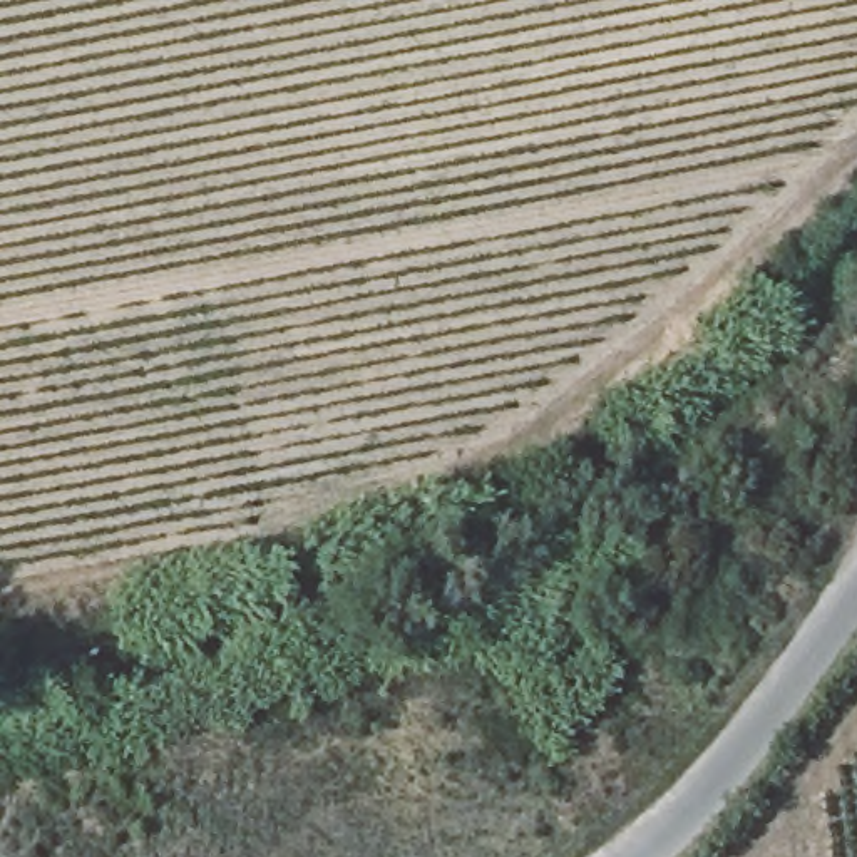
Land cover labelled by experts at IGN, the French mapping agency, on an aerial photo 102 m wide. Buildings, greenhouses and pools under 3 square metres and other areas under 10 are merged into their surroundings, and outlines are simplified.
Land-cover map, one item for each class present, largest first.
<instances>
[{"label":"vineyard","instance_id":"1","mask_svg":"<svg viewBox=\"0 0 857 857\"><path fill-rule=\"evenodd\" d=\"M857 171V0H0V673L3 686L17 693L27 683H44L47 676L57 680L60 673H67L94 646V633L80 629L77 623L80 606H107L104 593L117 589L124 572L141 566L144 556L167 552L177 546H211L241 536H271L311 526L335 505L362 502L372 492L395 485H415L418 475H445L455 465L489 462L495 455H522L536 445H549L566 435L582 429L599 395L633 382L646 368L663 365L673 352L683 355L690 348L700 315H706L713 305H723L730 291L740 285L743 271H753L760 261H767L787 231L807 224L817 204L824 198L840 194L850 174ZM834 857H857V757L854 763L840 767V790L827 797Z\"/></svg>","mask_w":857,"mask_h":857},{"label":"deciduous trees","instance_id":"2","mask_svg":"<svg viewBox=\"0 0 857 857\"><path fill-rule=\"evenodd\" d=\"M857 221V171L850 174L840 194L824 198L817 204L807 224L787 231L767 261H760L753 271H743L740 285L730 291L723 305H713L706 315H700L690 348L683 355L673 352L663 365L646 368L633 382L599 395L582 429L606 442L613 469L603 475L593 472L589 459L572 455L566 435L549 445H536L522 455H495L489 462L455 465L445 475H418L415 485H395L372 492L362 502L335 505L311 526L271 536H241L211 546H177L167 552L144 556L141 566L124 572L117 589L104 593L107 606H80L77 623L80 629L94 633V646L67 673H60L57 680L47 676L44 683H27L17 693L3 686L0 673V834H7L10 827L30 834L40 830L44 840L57 827V820H77L80 807L97 810L104 824H144V817L151 813L147 780L154 777L147 743H167L191 720H201L211 733L224 736H238L244 730V740L264 750H271L275 743H291L305 750L315 747L325 733L372 736L378 730H395L405 700L432 696V710L442 720V726L462 733V743L449 753V767L479 773L499 793H556L569 803V810L576 813V827H556L552 837H542V847L552 857H589L603 844H609L626 824H633L643 810H649L723 733V726L736 713L723 703L726 686H733L747 673L750 663H757L767 629L787 619L783 596L770 593L763 582L780 586L787 576H800L807 586L820 593L830 586L837 572L844 542H850L857 532V408L844 402L847 382L830 375V358L847 335H857V254H847L834 275L837 315L817 335L810 352L800 348L803 305L793 301V291L803 278H810L820 268L827 248L837 244L844 231ZM743 429H763L767 445L783 462L780 485H773V495L760 505L747 499L757 485V462L740 455ZM656 439L666 445L676 475L693 482L700 512L733 529V546L720 559V572L700 603L690 599L686 589H676L670 596L663 623L656 629H643L626 623L633 596L629 582L616 576L613 566H633L646 559V526L656 519V509L643 502L639 485L629 479V465L633 455L653 445ZM576 495H586L579 519V549L566 562H556L542 576L539 589L519 596L516 613L502 626L505 639L489 643L482 639V629L472 616H459L449 626V653L439 659H418L405 656L402 639L392 629L372 623L375 606H398V589L408 569L418 566L432 549L445 559L449 603H475L482 596L479 582L485 569H462V559L469 556L462 539V519L475 512L479 502L519 499L539 505L542 516H556L566 512ZM633 659H639V680L649 693V706L629 700L633 713L670 716L680 730H686V743L666 747L659 760L623 750L619 767H609L603 773V790L593 793L582 780L576 783L572 777V763L582 753L569 747V736L576 723H586L596 710H603L606 696L623 680V666ZM512 539H532L529 519H509V512H502L495 522V549L505 552ZM857 706V633L847 653L820 680L803 713L777 733L760 773L733 797H726V807L720 810L716 824L706 834H700L683 857H743L767 834L780 810H790L797 803L800 773L830 750L834 730Z\"/></svg>","mask_w":857,"mask_h":857},{"label":"herbaceous vegetation","instance_id":"3","mask_svg":"<svg viewBox=\"0 0 857 857\"><path fill-rule=\"evenodd\" d=\"M847 254H857V221L844 231L837 244L827 248L820 268L810 278H803L793 291V301L803 305L800 348L810 352L817 335L837 315L834 275ZM830 375L847 382L844 402L857 408V335H847L830 358ZM572 455L589 459L593 472L603 475L613 469L606 442L582 429L566 435ZM740 455L757 462V485L747 499L760 505L773 495V485H780L783 462L767 445L763 429H743ZM629 479L639 485L643 502L656 509V519L646 526V559L633 566H613L616 576L629 582L633 596L626 623L643 629H656L663 623L670 596L676 589H686L690 599L700 603L720 572V559L733 546V529L700 512L693 482L676 475L666 445L656 439L653 445L633 455L629 465ZM586 495H576L566 512L556 516H542L539 505L519 499L479 502L475 512L462 519V539L469 556L462 559V569H485L479 582L482 596L475 603H449L445 559L432 549L418 566L408 569L398 589V606H375L372 623L392 629L402 639L405 656L418 659H439L449 653V626L459 616H472L482 629V639L489 643L505 639L502 626L516 613L519 596L539 589L542 576L556 562H566L579 549V519ZM502 512H509V519H529L532 539H512L505 552L495 549V522ZM770 593L783 596L787 619L767 629L757 663H750L747 673L733 686H726L723 703L736 713L747 703V696L760 686L773 659L790 646L797 626L810 616L820 593L807 586L800 576H787L780 586L763 582ZM639 659H633L623 666V680L606 696L603 710H596L586 723H576L569 736V747L582 753L572 763V777L576 783L582 780L593 793L603 790V773L609 767H619L623 750L659 760L666 747L686 743V730H680L670 716L633 713L629 700L649 706V693L639 680ZM462 743V733L442 726V720L432 710V696L405 700L395 730H378L372 736L325 733L315 747L305 750L291 743H275L271 750H264L244 740V730L238 736H224L211 733L201 720H191L167 743H147L154 777L147 780L151 813L144 817V824H104L97 810L80 807L77 820H57V827L44 840L40 830L30 834L10 827L7 834H0V857H552L542 847V837H552L556 827H576V813L569 810V803L556 793H499L479 773L449 767V753Z\"/></svg>","mask_w":857,"mask_h":857},{"label":"impervious surface","instance_id":"4","mask_svg":"<svg viewBox=\"0 0 857 857\"><path fill-rule=\"evenodd\" d=\"M857 633V532L850 542H844L837 572L830 586L820 593L810 616L797 626L790 646L773 659L760 686L747 696V703L736 713L723 726V733L649 810H643L633 824H626L609 844H603L589 857H683L700 834H706L716 824L720 810L726 807V797H733L760 773L777 733L803 713L820 680L847 653Z\"/></svg>","mask_w":857,"mask_h":857},{"label":"pervious surface","instance_id":"5","mask_svg":"<svg viewBox=\"0 0 857 857\"><path fill-rule=\"evenodd\" d=\"M857 757V706L834 730L830 750L800 773L797 803L790 810H780L767 834L743 857H834L827 797L840 790V767L854 763Z\"/></svg>","mask_w":857,"mask_h":857}]
</instances>
